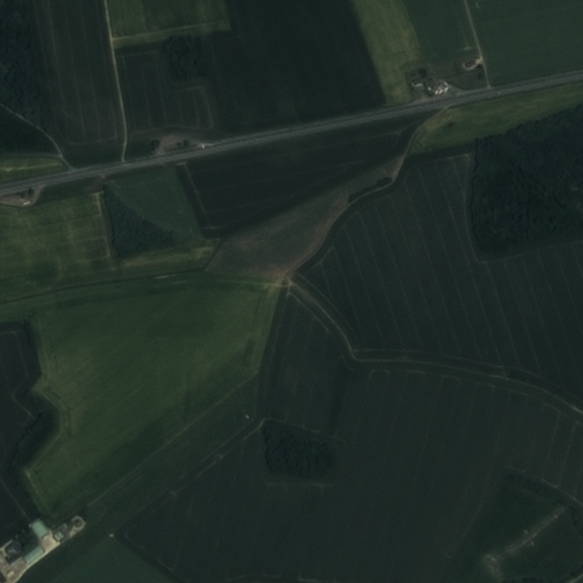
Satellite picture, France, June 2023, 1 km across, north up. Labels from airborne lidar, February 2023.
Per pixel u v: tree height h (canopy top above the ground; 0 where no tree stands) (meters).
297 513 0
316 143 0
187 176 0
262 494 0
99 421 0
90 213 0
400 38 0
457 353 0
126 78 0
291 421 0
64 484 0
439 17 0
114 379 0
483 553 0
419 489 0
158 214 0
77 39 0
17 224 0
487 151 20
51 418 9
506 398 0
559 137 22
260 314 0
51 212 0
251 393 0
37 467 0
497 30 0
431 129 0
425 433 0
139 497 0
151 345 0
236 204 0
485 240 15
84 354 0
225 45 0
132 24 0
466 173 0
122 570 0
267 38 0
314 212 0
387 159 0
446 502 0
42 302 0
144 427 0
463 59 0
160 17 0
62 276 0
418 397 0
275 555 0
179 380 0
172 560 0
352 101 0
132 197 0
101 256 0
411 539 0
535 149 21
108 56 0
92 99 0
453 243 0
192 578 0
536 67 0
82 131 0
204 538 0
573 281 0
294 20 0
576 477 0
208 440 0
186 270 0
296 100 0
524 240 16
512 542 0
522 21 0
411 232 0
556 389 0
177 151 0
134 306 0
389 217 0
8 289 0
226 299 0
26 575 0
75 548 0
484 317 0
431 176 0
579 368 0
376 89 0
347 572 0
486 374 0
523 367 0
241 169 0
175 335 0
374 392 0
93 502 0
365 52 0
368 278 0
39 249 0
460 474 0
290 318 0
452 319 0
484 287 0
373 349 0
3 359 0
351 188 0
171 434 0
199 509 0
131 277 0
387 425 0
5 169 0
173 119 0
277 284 0
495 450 0
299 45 0
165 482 0
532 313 0
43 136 6
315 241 0
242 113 0
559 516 0
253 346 0
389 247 0
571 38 0
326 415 0
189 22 0
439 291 0
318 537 0
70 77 0
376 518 0
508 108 0
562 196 12
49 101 0
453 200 0
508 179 9
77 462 0
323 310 0
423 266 0
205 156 0
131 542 0
